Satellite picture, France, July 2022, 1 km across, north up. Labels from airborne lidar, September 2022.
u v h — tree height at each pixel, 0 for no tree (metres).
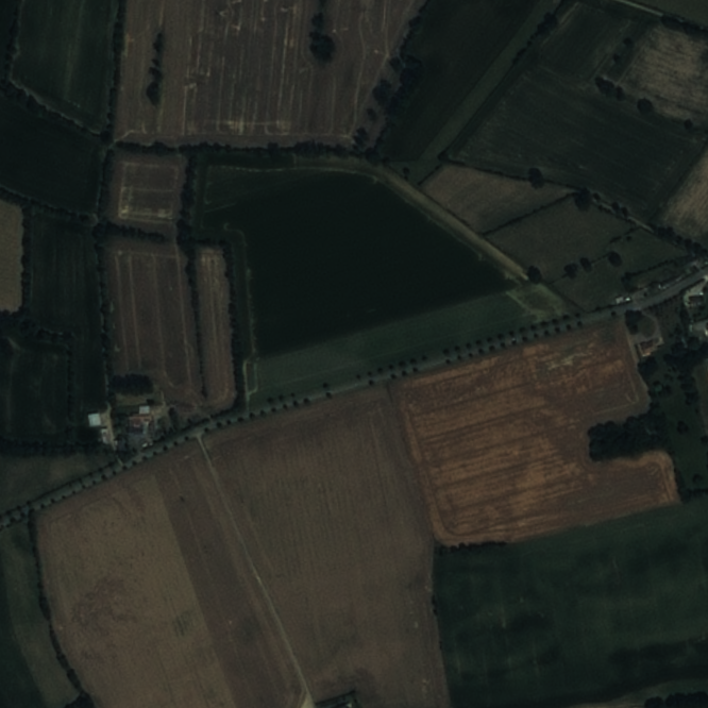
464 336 0
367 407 0
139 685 0
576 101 0
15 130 0
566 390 0
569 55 0
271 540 0
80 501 0
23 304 8
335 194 0
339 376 0
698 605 0
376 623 0
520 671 0
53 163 0
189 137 0
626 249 0
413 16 0
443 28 0
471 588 0
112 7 0
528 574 0
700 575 0
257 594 0
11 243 0
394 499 0
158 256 0
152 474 0
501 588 0
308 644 0
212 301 0
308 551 0
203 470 0
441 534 0
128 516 0
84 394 0
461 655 0
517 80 0
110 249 0
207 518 0
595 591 0
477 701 0
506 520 0
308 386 0
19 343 0
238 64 0
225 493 0
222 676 0
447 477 0
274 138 0
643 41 0
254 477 0
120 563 0
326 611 0
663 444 10
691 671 0
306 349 0
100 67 0
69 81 0
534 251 0
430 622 0
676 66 0
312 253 0
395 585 0
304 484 0
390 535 0
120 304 0
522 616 0
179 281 0
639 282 0
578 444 0
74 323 0
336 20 0
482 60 0
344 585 0
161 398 0
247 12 0
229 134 0
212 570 0
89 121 0
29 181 0
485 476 0
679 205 0
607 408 0
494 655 0
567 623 0
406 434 0
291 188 0
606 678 0
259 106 0
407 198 0
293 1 0
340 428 0
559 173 0
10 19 0
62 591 0
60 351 0
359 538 0
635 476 0
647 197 0
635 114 0
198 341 0
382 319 0
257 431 0
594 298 0
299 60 0
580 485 0
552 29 13
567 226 0
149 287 0
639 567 0
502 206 0
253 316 0
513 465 0
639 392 0
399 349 0
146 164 0
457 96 0
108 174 14
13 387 0
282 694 0
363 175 0
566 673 0
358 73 0
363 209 0
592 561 0
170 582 0
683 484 15
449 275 0
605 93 12
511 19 0
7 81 7
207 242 10
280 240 0
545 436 0
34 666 0
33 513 11
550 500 0
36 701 0
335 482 0
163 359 0
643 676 0
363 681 0
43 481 0
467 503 0
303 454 0
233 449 0
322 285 0
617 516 0
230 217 0
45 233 0
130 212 0
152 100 19
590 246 0
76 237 0
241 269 0
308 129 0
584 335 0
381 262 0
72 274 0
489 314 0
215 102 0
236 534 0
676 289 0
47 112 14
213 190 0
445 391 0
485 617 0
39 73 0
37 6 0
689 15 0
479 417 0
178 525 0
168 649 0
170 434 8
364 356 0
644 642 0
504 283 0
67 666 14
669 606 0
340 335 0
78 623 0
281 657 0
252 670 0
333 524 0
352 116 0
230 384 0
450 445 0
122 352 0
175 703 0
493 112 0
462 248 0
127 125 0
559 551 0
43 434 0
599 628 0
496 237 0
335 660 0
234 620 0
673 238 17
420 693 0
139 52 0
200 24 0
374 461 0
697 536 0
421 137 0
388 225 0
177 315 0
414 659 0
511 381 0
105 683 0
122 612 0
